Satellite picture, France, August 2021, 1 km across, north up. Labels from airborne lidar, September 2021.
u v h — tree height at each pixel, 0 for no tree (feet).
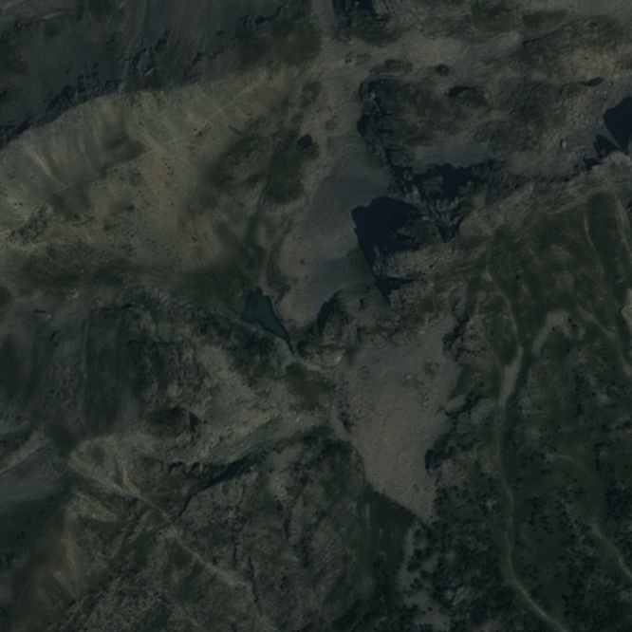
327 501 0
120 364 0
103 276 0
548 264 0
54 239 0
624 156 0
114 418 0
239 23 0
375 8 0
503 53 0
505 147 0
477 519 22
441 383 0
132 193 0
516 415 0
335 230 0
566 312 0
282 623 26
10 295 0
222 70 0
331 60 0
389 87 0
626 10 0
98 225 0
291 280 0
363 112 0
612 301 0
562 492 34
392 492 0
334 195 0
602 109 0
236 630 32
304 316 0
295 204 0
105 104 0
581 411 39
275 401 0
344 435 0
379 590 25
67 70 0
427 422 0
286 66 0
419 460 0
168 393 0
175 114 0
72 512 0
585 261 0
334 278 0
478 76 0
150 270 0
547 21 0
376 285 0
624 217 0
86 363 0
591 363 0
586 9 0
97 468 0
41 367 0
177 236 0
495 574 50
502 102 0
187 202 0
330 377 0
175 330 0
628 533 27
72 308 0
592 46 0
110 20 0
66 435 0
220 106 0
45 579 0
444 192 0
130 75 0
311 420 0
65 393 0
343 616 25
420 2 0
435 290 0
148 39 0
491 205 0
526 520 21
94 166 0
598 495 0
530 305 0
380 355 0
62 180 0
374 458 0
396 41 0
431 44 0
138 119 0
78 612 0
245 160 0
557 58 0
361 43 0
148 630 0
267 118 0
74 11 0
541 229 0
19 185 0
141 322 0
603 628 40
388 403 0
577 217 0
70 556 0
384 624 33
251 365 0
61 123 0
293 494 0
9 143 0
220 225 0
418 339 0
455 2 0
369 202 0
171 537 0
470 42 0
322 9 0
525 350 0
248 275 0
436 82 0
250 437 0
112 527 0
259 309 0
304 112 0
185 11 0
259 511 0
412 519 24
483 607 31
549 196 0
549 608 40
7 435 0
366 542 0
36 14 0
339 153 0
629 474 0
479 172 0
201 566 0
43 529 0
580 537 25
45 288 0
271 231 0
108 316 0
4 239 0
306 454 0
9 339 0
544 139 0
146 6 0
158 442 0
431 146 0
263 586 0
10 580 0
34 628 0
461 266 0
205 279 0
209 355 0
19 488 0
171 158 0
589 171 0
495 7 0
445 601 26
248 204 0
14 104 0
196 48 0
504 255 0
